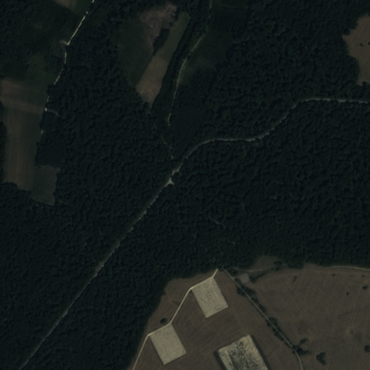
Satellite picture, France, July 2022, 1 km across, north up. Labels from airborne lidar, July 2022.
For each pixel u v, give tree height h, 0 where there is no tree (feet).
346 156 105
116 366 64
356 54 0
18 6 82
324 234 78
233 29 26
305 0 76
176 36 0
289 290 0
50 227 56
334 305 0
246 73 92
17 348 71
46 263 63
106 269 43
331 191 94
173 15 0
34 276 63
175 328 0
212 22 39
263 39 98
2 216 99
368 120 92
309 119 81
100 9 54
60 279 75
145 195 71
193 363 0
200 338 0
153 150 57
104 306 80
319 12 64
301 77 90
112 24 86
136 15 84
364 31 0
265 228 62
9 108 0
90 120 87
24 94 0
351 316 0
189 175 92
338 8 91
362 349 0
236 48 70
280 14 97
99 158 80
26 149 0
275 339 0
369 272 0
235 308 0
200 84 26
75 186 75
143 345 0
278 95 89
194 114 56
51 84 0
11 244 72
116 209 76
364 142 82
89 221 71
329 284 0
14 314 69
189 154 27
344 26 55
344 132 97
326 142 86
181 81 0
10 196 81
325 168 25
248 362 0
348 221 85
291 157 106
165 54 0
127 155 89
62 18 32
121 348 70
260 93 86
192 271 48
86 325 73
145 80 0
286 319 0
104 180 87
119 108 79
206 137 62
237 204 72
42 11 21
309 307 0
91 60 85
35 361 59
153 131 69
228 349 0
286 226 65
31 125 0
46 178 0
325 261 54
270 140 82
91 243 81
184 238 36
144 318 81
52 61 22
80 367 64
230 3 17
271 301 0
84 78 96
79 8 0
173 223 77
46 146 49
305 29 72
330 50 88
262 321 0
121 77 69
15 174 0
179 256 84
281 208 68
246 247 65
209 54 0
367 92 80
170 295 0
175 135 49
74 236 86
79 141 80
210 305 0
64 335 87
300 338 0
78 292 56
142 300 63
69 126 94
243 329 0
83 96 47
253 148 75
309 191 93
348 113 82
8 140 45
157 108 28
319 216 60
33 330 68
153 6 75
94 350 71
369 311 0
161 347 0
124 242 51
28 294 69
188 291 0
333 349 0
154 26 0
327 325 0
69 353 74
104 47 89
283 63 90
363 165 70
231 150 87
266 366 0
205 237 68
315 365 0
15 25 78
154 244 69
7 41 87
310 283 0
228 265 27
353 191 76
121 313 82
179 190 51
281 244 57
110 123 65
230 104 98
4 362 70
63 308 39
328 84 107
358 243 89
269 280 0
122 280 97
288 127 82
